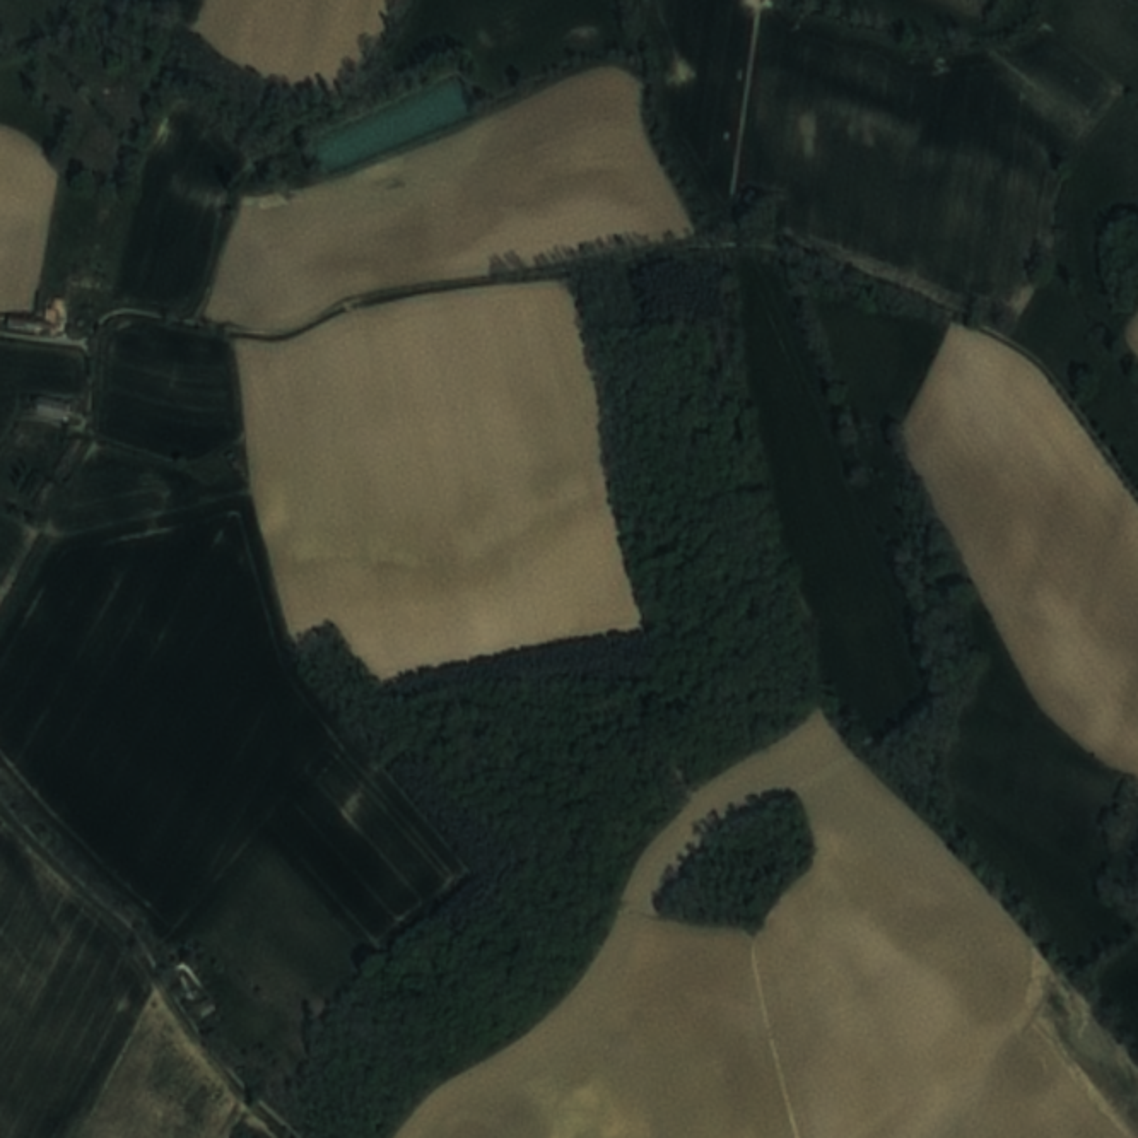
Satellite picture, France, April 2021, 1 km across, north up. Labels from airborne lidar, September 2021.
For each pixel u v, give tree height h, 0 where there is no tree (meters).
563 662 15
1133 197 0
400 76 13
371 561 0
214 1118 0
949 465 0
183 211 0
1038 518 0
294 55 0
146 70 17
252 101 12
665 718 29
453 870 0
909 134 0
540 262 11
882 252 0
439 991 23
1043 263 21
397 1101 24
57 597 0
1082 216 0
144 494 0
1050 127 0
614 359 18
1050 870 0
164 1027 0
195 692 0
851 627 0
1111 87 0
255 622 0
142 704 0
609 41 0
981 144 0
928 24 0
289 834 0
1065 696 0
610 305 21
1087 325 0
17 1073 0
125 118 0
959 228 0
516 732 19
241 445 0
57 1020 0
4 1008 0
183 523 0
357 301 0
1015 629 0
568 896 20
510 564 0
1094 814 0
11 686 0
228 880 0
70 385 0
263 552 0
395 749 20
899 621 0
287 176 13
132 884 0
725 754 19
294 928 0
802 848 14
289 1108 17
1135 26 0
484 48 0
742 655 19
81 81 9
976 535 0
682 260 10
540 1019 16
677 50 0
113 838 0
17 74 0
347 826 0
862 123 0
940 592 10
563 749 18
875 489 0
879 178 0
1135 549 0
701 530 25
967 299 0
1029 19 6
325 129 17
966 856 25
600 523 0
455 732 20
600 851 27
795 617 24
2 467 0
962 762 0
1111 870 7
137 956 13
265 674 0
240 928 0
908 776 22
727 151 0
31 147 0
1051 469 0
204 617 0
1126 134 0
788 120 0
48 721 0
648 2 0
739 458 25
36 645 0
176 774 0
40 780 0
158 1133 0
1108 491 0
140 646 0
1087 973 18
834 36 0
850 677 0
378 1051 21
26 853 0
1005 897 15
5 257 0
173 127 0
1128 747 0
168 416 0
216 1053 18
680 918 23
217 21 0
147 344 0
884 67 0
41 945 0
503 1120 0
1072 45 0
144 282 0
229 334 6
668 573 18
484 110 23
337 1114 24
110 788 0
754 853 6
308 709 0
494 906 13
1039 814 0
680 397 23
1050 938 16
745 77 0
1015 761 0
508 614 0
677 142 0
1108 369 0
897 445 21
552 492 0
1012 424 0
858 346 0
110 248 0
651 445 25
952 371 0
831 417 0
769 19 0
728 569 26
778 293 0
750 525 30
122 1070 0
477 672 14
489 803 14
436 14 0
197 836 0
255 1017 0
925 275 0
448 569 0
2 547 0
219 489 0
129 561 0
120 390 0
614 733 16
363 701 16
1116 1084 0
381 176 0
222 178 0
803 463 0
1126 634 0
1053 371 0
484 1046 17
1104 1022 16
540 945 28
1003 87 0
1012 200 0
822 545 0
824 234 0
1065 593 0
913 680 0
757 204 18
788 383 0
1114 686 0
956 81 0
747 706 12
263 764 0
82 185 25
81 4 23
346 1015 19
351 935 0
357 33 0
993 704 0
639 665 15
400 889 0
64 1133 0
